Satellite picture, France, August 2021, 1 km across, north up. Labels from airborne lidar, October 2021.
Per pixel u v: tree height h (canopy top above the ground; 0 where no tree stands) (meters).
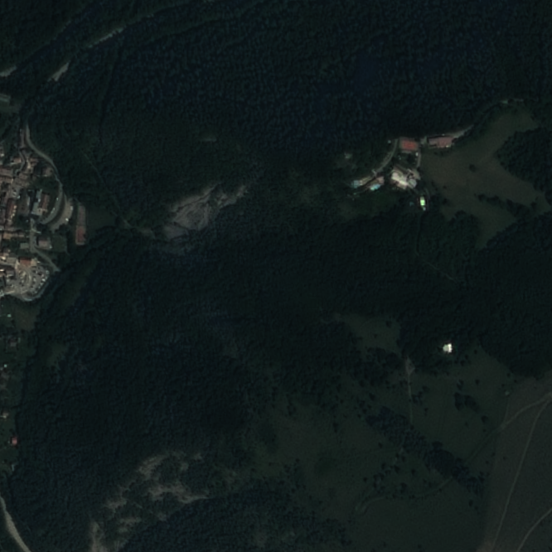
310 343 19
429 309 16
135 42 23
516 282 17
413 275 23
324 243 14
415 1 29
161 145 8
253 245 24
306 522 10
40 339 15
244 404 12
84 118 21
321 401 14
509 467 0
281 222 9
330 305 14
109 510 8
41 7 34
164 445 12
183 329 18
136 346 25
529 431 0
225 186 8
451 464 22
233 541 13
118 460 17
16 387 5
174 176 11
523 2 21
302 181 8
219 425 16
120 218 11
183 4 28
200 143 9
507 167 6
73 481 18
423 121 26
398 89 33
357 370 12
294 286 18
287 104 31
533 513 0
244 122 29
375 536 0
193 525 15
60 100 14
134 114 17
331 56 31
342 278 27
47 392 13
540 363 25
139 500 11
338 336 15
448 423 0
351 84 17
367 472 0
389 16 28
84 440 20
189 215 0
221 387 21
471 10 35
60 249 0
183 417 13
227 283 21
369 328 0
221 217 9
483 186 0
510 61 16
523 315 16
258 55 29
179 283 19
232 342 8
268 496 9
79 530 11
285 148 24
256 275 14
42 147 10
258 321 14
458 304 17
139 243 13
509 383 0
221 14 20
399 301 23
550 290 24
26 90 29
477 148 0
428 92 29
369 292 28
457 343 19
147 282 15
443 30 34
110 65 17
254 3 21
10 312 0
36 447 12
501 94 28
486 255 14
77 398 20
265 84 25
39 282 0
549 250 21
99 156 12
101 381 21
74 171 15
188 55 28
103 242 22
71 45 19
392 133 16
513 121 0
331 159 10
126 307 8
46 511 17
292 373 15
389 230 18
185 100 21
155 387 21
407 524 0
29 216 0
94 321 24
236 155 9
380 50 28
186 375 18
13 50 6
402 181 0
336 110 28
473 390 0
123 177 20
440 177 0
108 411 16
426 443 19
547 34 24
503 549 0
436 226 10
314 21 27
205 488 7
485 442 0
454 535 0
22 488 20
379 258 14
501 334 22
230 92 31
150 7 22
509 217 0
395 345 0
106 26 23
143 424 13
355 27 26
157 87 25
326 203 10
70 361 17
